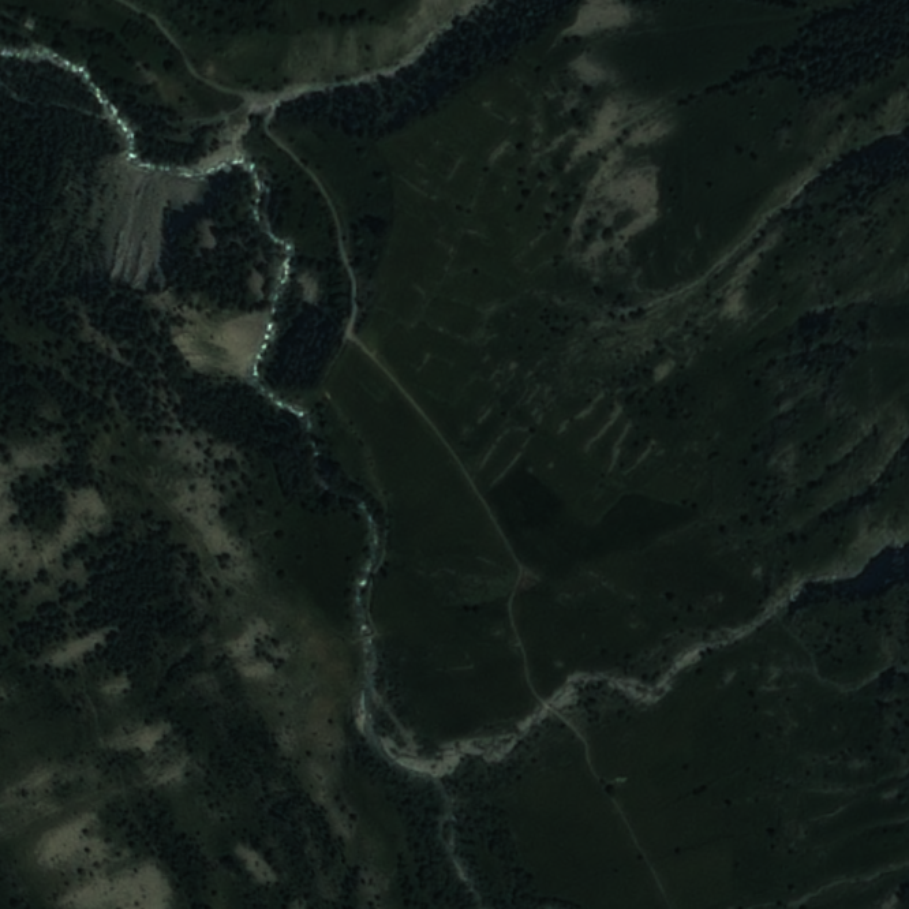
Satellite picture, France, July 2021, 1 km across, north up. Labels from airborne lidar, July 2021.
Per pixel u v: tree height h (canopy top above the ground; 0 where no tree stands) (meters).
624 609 0
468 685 0
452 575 0
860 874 0
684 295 0
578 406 0
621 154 0
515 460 0
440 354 0
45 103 16
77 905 0
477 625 0
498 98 0
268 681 0
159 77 0
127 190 0
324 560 0
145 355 19
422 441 0
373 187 0
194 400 19
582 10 0
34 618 8
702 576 0
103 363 20
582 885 0
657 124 0
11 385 8
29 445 0
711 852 0
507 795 0
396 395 0
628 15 0
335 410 0
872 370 0
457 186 0
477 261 0
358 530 0
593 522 0
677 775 0
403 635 0
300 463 30
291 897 9
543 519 0
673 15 0
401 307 0
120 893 0
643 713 0
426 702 0
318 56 0
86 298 16
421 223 0
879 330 0
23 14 17
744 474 0
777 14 0
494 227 0
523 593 0
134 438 0
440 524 0
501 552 0
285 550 0
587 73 0
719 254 0
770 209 0
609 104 0
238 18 6
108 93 7
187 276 12
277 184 9
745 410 0
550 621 0
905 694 0
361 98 12
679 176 0
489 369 0
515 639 0
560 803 0
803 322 0
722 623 0
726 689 0
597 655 0
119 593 18
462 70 12
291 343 17
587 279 0
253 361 0
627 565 0
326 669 0
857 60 15
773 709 0
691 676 0
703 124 0
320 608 0
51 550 0
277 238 12
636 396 6
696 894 0
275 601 0
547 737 0
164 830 7
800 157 0
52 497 9
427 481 0
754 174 0
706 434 0
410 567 0
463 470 0
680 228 0
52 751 0
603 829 0
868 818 0
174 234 9
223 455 0
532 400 0
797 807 0
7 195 20
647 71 0
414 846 9
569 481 0
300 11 0
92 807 0
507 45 19
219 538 0
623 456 0
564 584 0
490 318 0
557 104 0
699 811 0
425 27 0
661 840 0
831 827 0
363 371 0
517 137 0
